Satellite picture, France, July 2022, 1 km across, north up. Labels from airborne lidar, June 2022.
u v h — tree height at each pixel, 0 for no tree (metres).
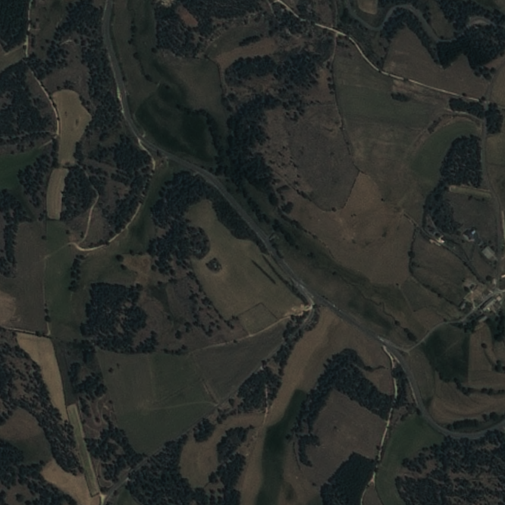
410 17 9
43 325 0
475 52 21
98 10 17
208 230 0
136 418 0
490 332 0
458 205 0
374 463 15
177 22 17
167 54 0
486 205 0
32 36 8
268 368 12
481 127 0
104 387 19
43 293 0
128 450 16
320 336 0
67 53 13
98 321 21
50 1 0
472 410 0
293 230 0
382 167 0
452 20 15
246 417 0
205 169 8
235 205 0
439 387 0
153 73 0
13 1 17
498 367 11
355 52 0
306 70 14
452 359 0
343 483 18
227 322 8
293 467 0
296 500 0
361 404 8
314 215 0
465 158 14
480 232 0
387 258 0
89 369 0
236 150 16
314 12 11
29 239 0
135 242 0
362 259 0
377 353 0
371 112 0
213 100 0
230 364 0
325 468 0
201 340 0
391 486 0
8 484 6
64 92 0
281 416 0
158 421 0
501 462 16
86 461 0
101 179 14
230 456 13
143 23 0
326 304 0
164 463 23
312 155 0
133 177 19
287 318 0
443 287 0
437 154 0
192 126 0
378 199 0
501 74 0
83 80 0
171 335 0
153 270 7
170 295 0
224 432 0
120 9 0
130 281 0
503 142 0
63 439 19
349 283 0
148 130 0
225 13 14
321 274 0
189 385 0
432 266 0
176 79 0
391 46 0
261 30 0
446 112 0
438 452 12
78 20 10
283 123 0
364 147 0
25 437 0
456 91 0
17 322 0
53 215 0
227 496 17
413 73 0
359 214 0
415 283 0
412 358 0
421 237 0
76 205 11
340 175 0
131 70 0
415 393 0
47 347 0
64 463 16
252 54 0
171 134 0
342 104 0
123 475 0
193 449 0
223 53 0
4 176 0
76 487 0
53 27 0
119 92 0
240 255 0
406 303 0
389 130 0
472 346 0
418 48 0
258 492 0
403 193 0
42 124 15
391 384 0
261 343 0
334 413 0
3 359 20
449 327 0
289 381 0
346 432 0
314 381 0
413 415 0
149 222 0
